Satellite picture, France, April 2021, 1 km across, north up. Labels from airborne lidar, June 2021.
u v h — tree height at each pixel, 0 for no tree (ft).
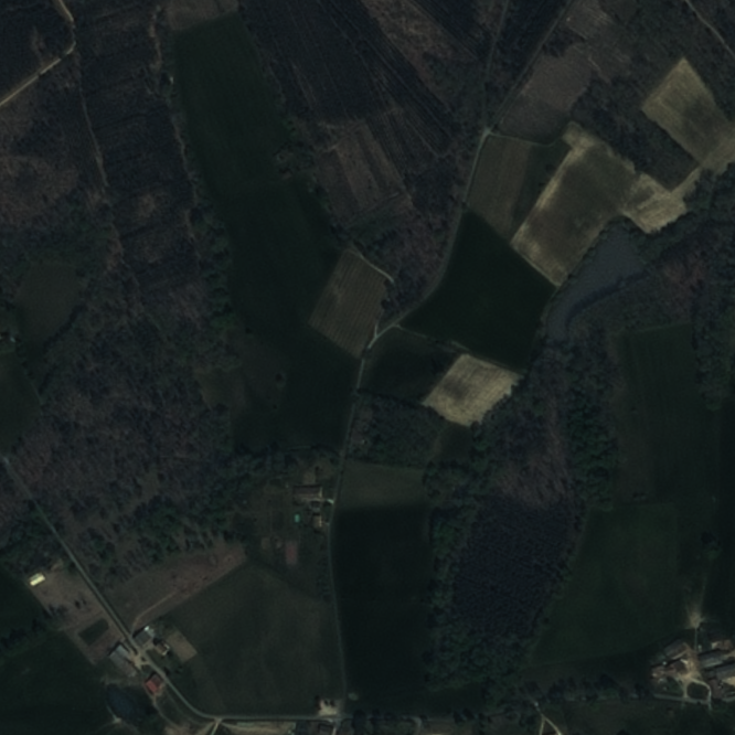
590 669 0
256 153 0
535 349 0
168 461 30
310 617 0
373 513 0
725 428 0
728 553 0
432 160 31
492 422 63
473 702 0
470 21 35
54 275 0
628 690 0
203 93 0
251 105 0
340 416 0
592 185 0
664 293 55
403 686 0
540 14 37
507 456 73
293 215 0
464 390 0
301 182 0
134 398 43
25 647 42
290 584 0
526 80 37
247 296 0
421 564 0
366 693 0
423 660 0
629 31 31
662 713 0
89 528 0
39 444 33
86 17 41
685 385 0
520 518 44
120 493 43
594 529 0
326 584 21
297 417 0
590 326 59
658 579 0
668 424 0
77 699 0
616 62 0
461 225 0
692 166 55
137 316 54
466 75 42
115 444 47
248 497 0
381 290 0
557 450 49
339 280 0
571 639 0
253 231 0
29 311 0
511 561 47
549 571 41
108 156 30
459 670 50
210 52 0
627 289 51
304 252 0
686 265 27
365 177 0
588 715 0
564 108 0
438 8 29
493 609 46
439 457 0
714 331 73
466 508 55
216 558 0
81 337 47
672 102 0
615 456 56
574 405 72
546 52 40
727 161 0
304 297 0
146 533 54
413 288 66
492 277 0
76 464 47
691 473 0
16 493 44
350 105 36
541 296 0
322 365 0
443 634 70
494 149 0
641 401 0
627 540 0
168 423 26
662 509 0
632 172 0
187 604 0
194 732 0
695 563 0
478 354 0
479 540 49
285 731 0
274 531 0
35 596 0
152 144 41
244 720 0
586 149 0
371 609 0
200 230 53
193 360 65
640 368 0
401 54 25
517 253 0
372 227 22
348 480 0
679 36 50
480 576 46
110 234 50
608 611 0
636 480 0
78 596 0
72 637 0
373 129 30
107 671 0
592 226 0
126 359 29
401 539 0
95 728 0
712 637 0
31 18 28
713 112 0
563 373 49
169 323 57
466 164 32
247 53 0
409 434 61
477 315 0
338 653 0
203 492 55
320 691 0
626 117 38
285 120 40
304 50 36
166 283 39
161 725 0
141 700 0
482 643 36
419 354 0
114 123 28
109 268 45
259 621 0
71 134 28
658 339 0
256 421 0
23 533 38
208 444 51
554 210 0
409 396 0
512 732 0
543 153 0
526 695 50
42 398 33
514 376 0
